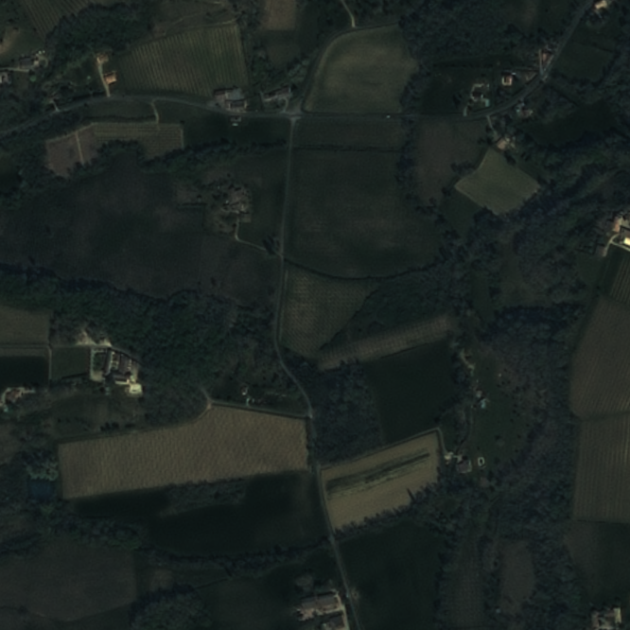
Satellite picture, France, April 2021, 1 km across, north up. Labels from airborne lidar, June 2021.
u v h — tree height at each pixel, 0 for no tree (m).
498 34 17
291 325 12
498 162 0
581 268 0
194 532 0
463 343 7
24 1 0
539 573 6
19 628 0
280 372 14
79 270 6
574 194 10
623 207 16
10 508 16
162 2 11
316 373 9
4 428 0
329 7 25
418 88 17
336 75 0
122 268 9
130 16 17
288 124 0
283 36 0
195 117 0
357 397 21
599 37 0
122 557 0
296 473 0
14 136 11
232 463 0
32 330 0
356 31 0
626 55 21
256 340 15
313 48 0
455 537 11
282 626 0
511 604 15
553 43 8
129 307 24
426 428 0
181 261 6
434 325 13
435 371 0
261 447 0
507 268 0
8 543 6
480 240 25
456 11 25
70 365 0
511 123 18
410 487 0
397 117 0
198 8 0
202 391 17
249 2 14
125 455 0
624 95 15
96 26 16
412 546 0
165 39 0
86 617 0
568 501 13
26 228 6
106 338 13
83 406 0
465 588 14
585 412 0
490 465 0
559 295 21
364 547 0
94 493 0
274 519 0
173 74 0
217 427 0
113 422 0
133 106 0
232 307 21
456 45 18
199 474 0
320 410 15
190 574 0
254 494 0
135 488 0
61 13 0
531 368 24
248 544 0
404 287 5
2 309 0
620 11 12
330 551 13
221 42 0
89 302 17
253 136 0
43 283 22
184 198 0
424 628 0
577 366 0
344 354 13
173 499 15
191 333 24
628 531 0
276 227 0
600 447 0
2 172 0
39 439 17
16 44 0
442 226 18
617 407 0
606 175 14
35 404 22
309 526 0
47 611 0
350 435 16
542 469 22
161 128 0
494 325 0
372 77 0
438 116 0
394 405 0
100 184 8
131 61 0
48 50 10
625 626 9
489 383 0
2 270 17
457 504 0
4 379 0
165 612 24
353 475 0
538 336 18
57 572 0
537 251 20
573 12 14
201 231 8
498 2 26
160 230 10
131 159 8
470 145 0
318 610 0
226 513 0
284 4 0
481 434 0
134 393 0
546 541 12
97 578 0
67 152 0
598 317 0
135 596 0
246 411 0
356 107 0
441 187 0
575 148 15
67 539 14
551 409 17
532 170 0
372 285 9
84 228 7
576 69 0
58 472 19
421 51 14
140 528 10
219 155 18
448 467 10
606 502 0
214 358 20
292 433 0
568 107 22
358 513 0
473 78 0
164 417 20
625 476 0
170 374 19
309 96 0
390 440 0
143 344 22
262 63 7
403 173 20
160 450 0
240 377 16
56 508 16
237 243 0
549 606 6
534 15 0
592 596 0
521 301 0
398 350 13
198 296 13
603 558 0
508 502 6
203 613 15
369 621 0
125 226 6
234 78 0
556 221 27
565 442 18
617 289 0
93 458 0
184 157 17
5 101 18
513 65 6
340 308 10
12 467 8
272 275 6
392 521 17
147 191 8
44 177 12
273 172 0
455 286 15
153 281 7
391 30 0
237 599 0
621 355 0
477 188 0
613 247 0
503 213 0
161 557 16
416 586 0
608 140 17
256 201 0
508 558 0
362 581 0
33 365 0
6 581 0
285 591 0
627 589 0
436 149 0
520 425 0
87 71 0
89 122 10
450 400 0
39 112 31
